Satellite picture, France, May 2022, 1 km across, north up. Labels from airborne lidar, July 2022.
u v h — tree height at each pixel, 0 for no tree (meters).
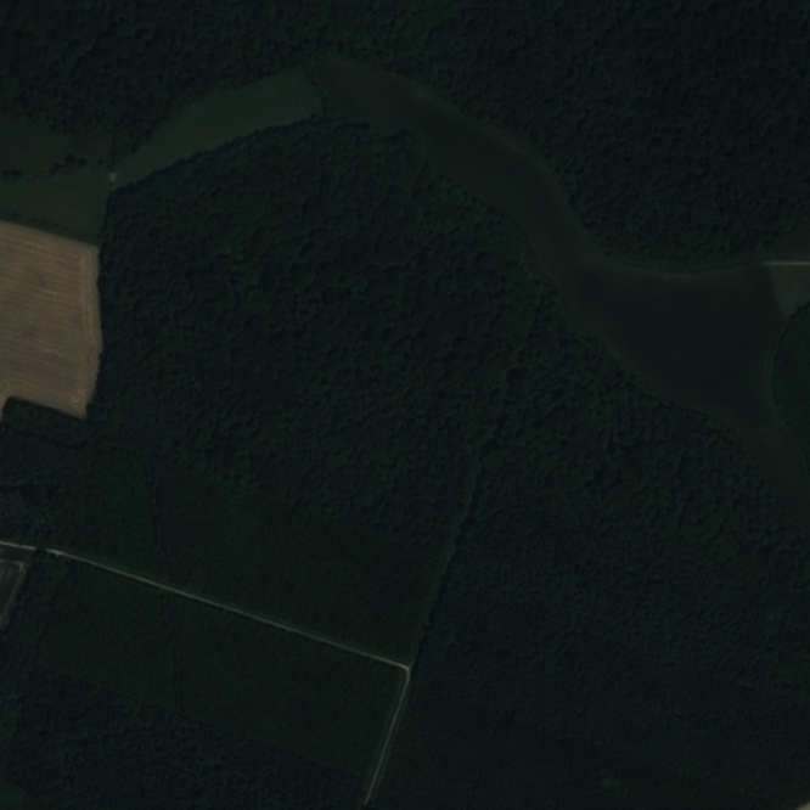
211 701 12
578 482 14
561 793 7
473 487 0
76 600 12
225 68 16
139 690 12
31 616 19
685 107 27
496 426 14
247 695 12
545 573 16
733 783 21
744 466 12
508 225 17
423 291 28
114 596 10
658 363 0
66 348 0
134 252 18
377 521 18
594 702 20
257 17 22
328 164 21
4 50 31
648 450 26
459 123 0
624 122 23
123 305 13
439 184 19
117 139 7
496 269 25
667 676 21
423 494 22
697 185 21
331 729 11
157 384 20
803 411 7
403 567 12
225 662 12
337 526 12
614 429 18
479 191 0
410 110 0
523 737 7
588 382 17
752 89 25
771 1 25
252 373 20
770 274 0
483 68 20
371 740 11
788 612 20
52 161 0
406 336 9
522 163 0
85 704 19
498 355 19
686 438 18
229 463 21
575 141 22
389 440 18
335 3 20
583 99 26
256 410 18
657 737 19
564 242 0
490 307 18
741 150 23
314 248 23
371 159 21
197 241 15
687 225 22
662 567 18
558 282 0
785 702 20
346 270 28
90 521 8
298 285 24
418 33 24
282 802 20
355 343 21
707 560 19
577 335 8
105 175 0
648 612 19
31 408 15
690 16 25
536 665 18
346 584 10
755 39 21
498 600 17
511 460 19
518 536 18
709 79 20
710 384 0
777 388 6
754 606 21
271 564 12
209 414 18
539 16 23
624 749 17
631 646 19
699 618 19
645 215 21
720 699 20
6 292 0
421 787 6
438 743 6
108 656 12
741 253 15
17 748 20
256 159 22
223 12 23
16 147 0
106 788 20
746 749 23
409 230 22
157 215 19
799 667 19
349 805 18
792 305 0
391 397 20
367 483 18
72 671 13
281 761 19
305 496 12
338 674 11
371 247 27
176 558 13
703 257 17
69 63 27
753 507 26
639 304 0
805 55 26
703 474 25
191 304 23
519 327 22
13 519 26
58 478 28
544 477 17
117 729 16
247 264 21
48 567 18
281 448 21
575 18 17
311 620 10
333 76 0
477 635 23
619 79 24
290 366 13
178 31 14
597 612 20
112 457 11
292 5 22
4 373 0
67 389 0
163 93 23
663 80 22
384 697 11
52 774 19
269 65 23
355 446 19
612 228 21
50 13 23
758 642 20
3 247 0
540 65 18
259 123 0
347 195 22
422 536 19
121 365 19
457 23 26
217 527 11
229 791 20
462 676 19
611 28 18
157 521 22
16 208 0
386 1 24
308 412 22
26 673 18
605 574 17
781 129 24
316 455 20
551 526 20
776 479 0
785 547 17
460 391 16
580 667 20
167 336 23
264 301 22
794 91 30
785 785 22
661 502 20
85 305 0
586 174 22
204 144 0
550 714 18
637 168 21
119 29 27
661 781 8
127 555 9
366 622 10
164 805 21
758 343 0
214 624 12
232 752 19
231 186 23
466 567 18
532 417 23
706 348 0
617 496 23
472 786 6
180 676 11
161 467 15
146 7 29
